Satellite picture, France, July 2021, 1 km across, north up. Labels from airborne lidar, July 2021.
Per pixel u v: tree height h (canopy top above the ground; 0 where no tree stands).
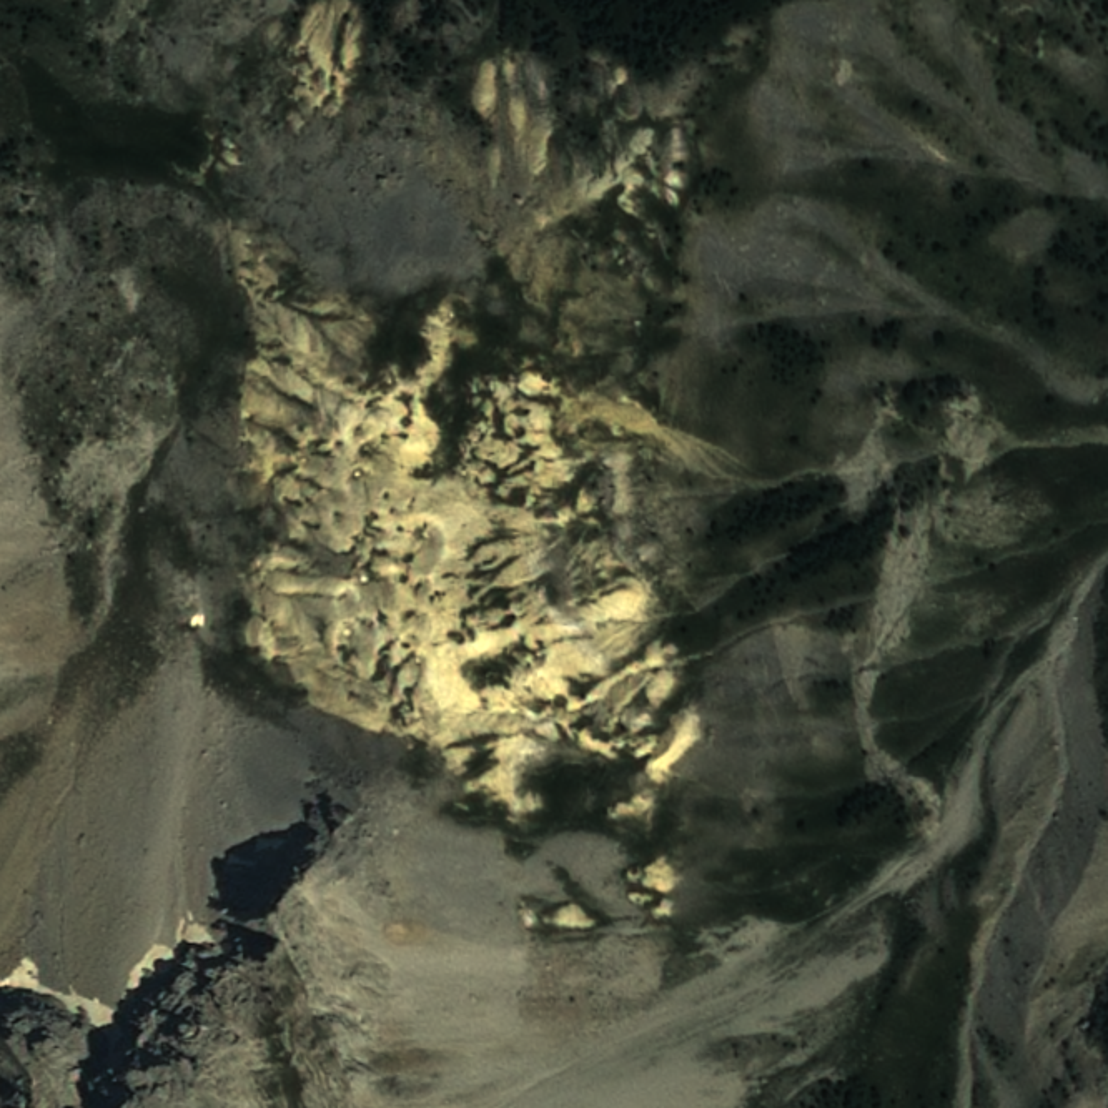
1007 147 0
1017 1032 0
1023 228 0
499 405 0
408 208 0
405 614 0
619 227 0
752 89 0
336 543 0
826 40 0
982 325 0
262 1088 0
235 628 0
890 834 0
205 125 0
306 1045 0
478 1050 0
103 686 0
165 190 0
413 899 0
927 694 0
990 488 0
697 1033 0
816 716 0
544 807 0
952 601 0
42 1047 0
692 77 0
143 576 0
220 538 0
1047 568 0
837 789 0
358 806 0
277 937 0
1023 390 0
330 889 0
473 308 0
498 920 0
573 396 0
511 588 0
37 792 0
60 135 0
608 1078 0
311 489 0
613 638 0
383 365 0
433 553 0
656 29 10
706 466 0
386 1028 0
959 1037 0
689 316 0
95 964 0
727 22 0
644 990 0
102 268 0
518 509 0
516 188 0
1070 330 0
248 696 0
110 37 0
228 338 0
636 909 0
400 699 0
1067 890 0
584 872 0
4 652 0
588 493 0
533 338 0
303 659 0
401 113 0
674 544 0
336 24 0
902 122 0
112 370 0
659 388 0
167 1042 0
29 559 0
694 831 0
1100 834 0
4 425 0
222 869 0
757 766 0
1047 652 0
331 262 0
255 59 0
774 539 0
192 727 0
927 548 0
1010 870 0
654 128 0
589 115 0
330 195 0
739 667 0
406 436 0
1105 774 0
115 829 0
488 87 0
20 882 0
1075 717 0
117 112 0
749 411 0
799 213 0
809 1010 0
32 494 0
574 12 10
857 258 0
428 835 0
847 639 0
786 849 0
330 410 0
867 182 0
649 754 0
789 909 0
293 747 0
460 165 0
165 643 0
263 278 0
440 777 0
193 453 0
